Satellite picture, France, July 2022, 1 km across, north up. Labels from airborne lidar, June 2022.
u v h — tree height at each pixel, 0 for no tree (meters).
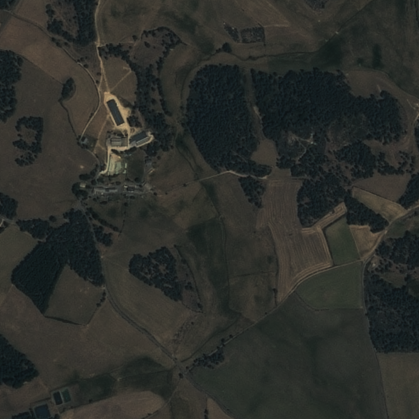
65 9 0
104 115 0
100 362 0
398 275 0
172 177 0
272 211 0
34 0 0
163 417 0
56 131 0
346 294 0
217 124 16
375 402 0
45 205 0
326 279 0
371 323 11
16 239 0
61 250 18
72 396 0
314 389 0
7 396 0
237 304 0
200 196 0
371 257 0
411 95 0
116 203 0
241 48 0
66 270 0
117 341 0
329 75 20
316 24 0
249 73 0
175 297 15
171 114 10
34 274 21
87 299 0
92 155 0
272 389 0
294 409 0
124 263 0
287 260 0
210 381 0
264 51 0
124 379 0
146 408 0
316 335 0
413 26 0
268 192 0
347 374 0
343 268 0
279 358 0
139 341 0
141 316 0
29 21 0
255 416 0
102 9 0
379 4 0
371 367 0
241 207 0
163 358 0
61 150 0
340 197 19
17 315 0
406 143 0
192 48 0
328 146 0
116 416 0
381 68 0
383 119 15
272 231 0
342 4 0
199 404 0
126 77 0
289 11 0
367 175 18
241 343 0
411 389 0
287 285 0
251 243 0
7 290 0
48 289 21
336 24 0
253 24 0
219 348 10
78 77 0
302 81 13
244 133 11
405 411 0
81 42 16
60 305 0
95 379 0
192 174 0
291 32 0
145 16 0
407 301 20
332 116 15
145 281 12
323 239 0
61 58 0
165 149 18
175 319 0
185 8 0
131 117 11
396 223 0
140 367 0
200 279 0
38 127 14
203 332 0
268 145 0
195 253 0
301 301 0
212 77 13
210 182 0
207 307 0
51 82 0
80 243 20
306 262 0
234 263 0
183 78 0
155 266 11
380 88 0
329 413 0
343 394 0
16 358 14
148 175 0
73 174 0
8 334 0
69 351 0
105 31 0
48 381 0
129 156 0
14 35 0
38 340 0
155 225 0
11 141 0
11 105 18
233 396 0
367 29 0
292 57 0
